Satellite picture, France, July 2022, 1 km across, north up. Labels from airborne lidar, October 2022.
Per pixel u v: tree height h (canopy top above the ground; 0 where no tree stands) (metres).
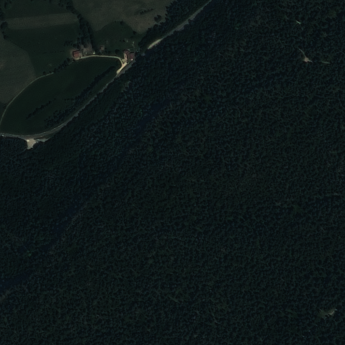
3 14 15
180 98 17
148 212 8
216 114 27
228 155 35
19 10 0
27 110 0
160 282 25
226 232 9
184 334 22
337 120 31
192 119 11
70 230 9
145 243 24
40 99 0
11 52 0
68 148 12
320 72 22
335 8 19
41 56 0
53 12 0
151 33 14
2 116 0
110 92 12
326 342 38
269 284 16
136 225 26
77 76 0
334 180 30
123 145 24
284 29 15
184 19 6
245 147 24
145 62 21
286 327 23
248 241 19
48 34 0
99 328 8
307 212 9
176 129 28
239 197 20
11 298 13
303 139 25
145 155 22
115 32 0
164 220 30
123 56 0
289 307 37
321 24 25
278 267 21
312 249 18
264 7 11
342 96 23
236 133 22
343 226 24
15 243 14
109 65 0
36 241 27
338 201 29
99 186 24
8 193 15
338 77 29
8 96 0
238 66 19
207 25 15
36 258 32
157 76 31
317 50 29
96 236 12
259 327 8
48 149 17
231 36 30
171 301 21
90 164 25
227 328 19
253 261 19
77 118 15
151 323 29
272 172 24
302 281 23
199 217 22
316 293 34
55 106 0
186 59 30
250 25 14
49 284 9
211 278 25
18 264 16
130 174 21
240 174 19
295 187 27
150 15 0
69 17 0
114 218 12
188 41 10
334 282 32
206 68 12
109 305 14
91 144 28
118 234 17
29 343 21
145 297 23
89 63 0
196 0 8
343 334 27
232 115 24
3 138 16
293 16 21
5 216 20
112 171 28
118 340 23
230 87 21
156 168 15
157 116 12
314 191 31
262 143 25
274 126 25
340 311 28
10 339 16
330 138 17
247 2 28
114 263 10
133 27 0
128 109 24
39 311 21
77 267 7
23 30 0
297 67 31
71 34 0
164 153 10
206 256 26
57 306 23
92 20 0
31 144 0
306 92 26
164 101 27
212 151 21
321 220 27
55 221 12
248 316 7
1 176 9
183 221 14
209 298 23
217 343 30
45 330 22
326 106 28
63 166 9
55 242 31
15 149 22
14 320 16
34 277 13
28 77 0
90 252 12
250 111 22
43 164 16
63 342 12
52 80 0
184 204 8
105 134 28
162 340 12
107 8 0
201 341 20
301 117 24
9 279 20
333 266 39
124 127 23
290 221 11
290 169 26
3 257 17
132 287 26
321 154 22
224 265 23
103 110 11
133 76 12
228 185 8
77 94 0
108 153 28
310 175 17
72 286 21
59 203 17
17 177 24
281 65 19
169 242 21
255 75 7
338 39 8
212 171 19
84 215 8
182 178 12
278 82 7
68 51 0
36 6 0
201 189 20
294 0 21
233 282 23
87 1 0
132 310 26
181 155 16
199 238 30
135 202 8
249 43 26
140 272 6
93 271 7
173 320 15
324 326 11
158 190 22
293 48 22
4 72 0
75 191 15
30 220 27
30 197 14
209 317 18
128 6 0
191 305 31
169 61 26
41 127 0
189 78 32
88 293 11
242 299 21
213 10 22
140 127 31
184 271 23
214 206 16
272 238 16
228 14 25
